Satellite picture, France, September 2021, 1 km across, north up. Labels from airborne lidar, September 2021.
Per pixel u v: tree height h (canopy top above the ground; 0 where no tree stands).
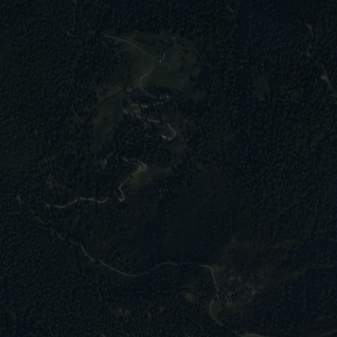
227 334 19
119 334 20
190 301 0
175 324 18
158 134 16
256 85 0
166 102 0
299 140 7
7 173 11
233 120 8
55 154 11
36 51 15
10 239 31
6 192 18
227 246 0
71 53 21
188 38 8
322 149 9
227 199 0
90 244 0
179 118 0
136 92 12
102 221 0
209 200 0
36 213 9
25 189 6
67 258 0
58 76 12
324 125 12
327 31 22
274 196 12
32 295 24
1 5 11
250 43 27
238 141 11
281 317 6
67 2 19
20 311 25
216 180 0
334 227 9
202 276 0
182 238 0
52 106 12
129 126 16
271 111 13
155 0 21
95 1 15
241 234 0
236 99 13
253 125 15
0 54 0
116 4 20
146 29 12
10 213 27
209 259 0
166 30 13
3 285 0
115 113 0
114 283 0
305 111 14
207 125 10
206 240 0
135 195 0
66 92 17
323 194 8
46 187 11
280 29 18
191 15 16
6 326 10
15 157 12
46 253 22
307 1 11
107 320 19
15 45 7
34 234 19
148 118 6
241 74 10
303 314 7
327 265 6
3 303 22
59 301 24
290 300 9
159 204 0
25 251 28
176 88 0
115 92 0
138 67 0
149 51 0
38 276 26
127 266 0
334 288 6
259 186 7
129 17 27
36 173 10
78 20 24
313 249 9
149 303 14
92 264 0
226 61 12
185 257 0
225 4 8
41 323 28
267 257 7
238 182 6
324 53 19
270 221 8
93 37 8
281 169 11
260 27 26
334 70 28
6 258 27
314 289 9
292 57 22
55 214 11
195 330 22
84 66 10
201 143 7
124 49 0
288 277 0
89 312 26
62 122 17
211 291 7
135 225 0
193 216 0
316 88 14
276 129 22
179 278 0
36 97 17
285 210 8
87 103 7
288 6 15
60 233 11
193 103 10
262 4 14
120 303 22
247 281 0
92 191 14
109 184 8
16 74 14
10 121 13
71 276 21
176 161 0
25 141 12
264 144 13
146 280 0
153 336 27
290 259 8
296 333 0
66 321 28
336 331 0
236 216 0
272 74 13
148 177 0
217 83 7
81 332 26
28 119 11
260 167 12
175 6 10
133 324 22
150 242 0
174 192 0
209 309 0
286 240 0
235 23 16
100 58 16
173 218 0
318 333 0
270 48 30
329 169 10
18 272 28
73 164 11
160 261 0
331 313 7
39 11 16
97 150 0
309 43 13
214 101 8
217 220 0
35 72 16
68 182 7
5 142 8
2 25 13
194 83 11
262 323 7
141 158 13
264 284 0
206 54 9
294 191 9
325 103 12
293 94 15
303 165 16
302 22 8
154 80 0
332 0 16
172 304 24
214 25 17
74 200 11
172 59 0
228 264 0
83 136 8
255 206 7
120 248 0
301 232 9
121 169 0
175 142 0
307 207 9
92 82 16
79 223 0
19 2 14
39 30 20
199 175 12
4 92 12
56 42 20
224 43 10
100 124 0
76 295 28
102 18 17
